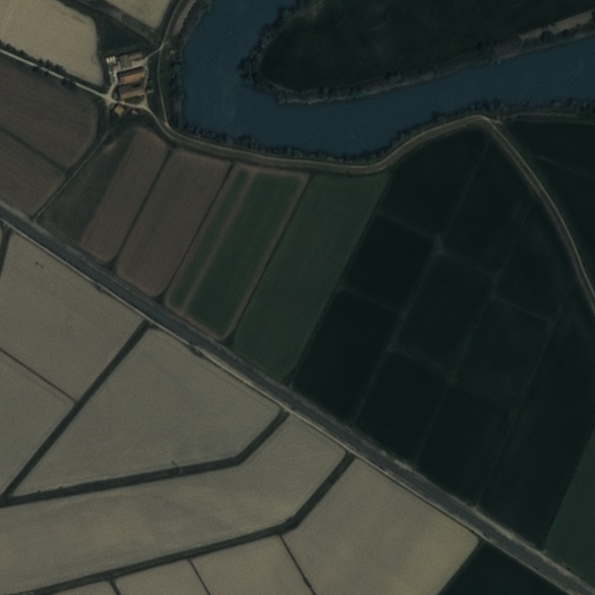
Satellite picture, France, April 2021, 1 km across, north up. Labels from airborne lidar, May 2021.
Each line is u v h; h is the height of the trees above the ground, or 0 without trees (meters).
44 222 0
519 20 0
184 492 0
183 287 0
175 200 0
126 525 0
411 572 0
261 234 0
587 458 0
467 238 0
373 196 0
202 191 0
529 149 0
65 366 0
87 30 0
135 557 0
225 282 0
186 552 0
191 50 0
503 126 0
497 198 0
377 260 0
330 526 0
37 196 0
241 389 0
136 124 0
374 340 0
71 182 0
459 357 0
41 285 0
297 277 0
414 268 0
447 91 0
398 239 0
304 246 0
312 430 0
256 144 17
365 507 0
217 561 0
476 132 0
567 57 0
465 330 0
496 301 0
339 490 0
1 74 0
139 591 0
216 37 0
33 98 0
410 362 0
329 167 0
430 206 0
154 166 0
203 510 0
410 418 0
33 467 0
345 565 0
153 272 0
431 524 0
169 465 0
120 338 0
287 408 0
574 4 0
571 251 0
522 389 0
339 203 0
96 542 0
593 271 0
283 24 12
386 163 0
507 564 0
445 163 0
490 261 0
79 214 0
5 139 0
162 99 0
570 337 0
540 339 0
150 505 0
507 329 0
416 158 0
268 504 0
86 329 0
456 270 0
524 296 0
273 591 0
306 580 5
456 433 0
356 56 0
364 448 0
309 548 0
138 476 0
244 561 0
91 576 0
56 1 0
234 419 0
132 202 0
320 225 0
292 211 0
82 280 0
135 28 0
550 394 0
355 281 0
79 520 0
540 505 0
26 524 0
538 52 0
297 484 0
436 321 0
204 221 0
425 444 0
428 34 0
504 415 0
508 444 0
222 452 0
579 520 0
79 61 0
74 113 0
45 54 0
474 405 0
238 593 0
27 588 0
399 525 0
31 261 0
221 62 0
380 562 0
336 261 0
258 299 0
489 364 0
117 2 0
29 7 0
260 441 0
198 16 6
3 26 0
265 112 0
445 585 0
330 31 0
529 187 0
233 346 0
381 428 0
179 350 0
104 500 0
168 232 0
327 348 0
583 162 0
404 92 0
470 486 0
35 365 0
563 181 0
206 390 0
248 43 0
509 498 0
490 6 0
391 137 0
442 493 0
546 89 0
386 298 0
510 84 0
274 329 0
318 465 0
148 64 0
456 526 0
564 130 0
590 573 0
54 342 0
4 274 0
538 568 0
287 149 12
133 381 0
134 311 0
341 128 0
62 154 0
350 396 0
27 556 0
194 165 0
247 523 0
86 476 0
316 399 0
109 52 0
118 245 0
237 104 0
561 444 0
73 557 0
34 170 0
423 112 0
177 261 0
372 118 0
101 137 0
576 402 0
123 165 0
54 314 0
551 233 0
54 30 0
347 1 0
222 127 0
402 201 0
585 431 0
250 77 18
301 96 6
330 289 0
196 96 0
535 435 0
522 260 0
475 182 0
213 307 0
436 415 0
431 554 0
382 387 0
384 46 0
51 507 0
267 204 0
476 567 0
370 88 6
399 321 0
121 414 0
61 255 0
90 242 0
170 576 0
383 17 0
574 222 0
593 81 0
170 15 0
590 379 0
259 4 0
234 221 0
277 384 0
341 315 0
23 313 0
